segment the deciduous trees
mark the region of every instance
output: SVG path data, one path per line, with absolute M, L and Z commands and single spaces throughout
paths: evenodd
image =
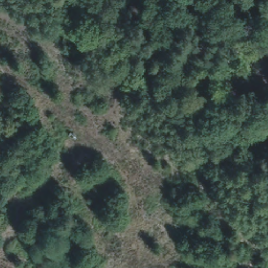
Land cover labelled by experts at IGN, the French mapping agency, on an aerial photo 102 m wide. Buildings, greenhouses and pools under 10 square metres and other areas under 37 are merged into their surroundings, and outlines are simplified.
M 207 161 L 216 164 L 226 157 L 238 163 L 249 158 L 260 162 L 264 159 L 266 164 L 262 165 L 262 170 L 268 171 L 268 0 L 67 0 L 71 4 L 67 7 L 65 17 L 70 23 L 66 25 L 62 22 L 64 31 L 58 42 L 54 43 L 60 50 L 62 59 L 79 67 L 88 81 L 112 91 L 125 79 L 129 70 L 134 73 L 139 61 L 136 55 L 129 57 L 124 49 L 119 48 L 117 41 L 126 33 L 130 35 L 130 32 L 138 32 L 142 19 L 153 19 L 157 14 L 157 6 L 164 12 L 180 7 L 180 13 L 171 19 L 167 18 L 169 26 L 175 28 L 171 45 L 155 50 L 150 59 L 143 59 L 143 79 L 146 81 L 147 93 L 150 97 L 155 95 L 157 102 L 163 100 L 167 106 L 176 102 L 187 117 L 193 114 L 194 128 L 197 127 L 201 135 L 191 141 L 192 147 L 203 147 L 202 152 L 205 153 Z M 195 29 L 199 41 L 211 44 L 241 38 L 243 43 L 234 45 L 239 59 L 230 62 L 223 60 L 210 79 L 206 79 L 206 72 L 203 71 L 192 72 L 189 77 L 184 77 L 183 71 L 172 75 L 173 60 L 177 57 L 175 49 L 180 42 L 185 42 L 191 29 Z
M 54 82 L 57 79 L 57 69 L 53 67 L 46 53 L 41 65 L 44 79 Z
M 112 166 L 96 150 L 74 164 L 73 177 L 67 170 L 61 169 L 63 163 L 60 161 L 60 151 L 55 148 L 55 142 L 50 134 L 40 132 L 41 113 L 27 90 L 18 84 L 17 76 L 14 75 L 0 72 L 0 100 L 1 94 L 6 97 L 10 92 L 19 91 L 21 97 L 13 106 L 20 109 L 20 114 L 14 116 L 24 120 L 23 125 L 12 136 L 0 135 L 0 207 L 5 206 L 10 197 L 24 198 L 31 195 L 49 177 L 57 180 L 62 187 L 64 192 L 59 195 L 58 202 L 51 210 L 44 213 L 42 206 L 33 210 L 35 217 L 27 222 L 28 232 L 20 233 L 19 236 L 27 243 L 24 251 L 27 256 L 31 255 L 33 260 L 40 263 L 41 268 L 100 268 L 108 259 L 106 256 L 100 258 L 97 255 L 95 237 L 99 232 L 121 233 L 129 227 L 129 195 L 115 179 L 109 178 Z
M 164 227 L 180 254 L 193 255 L 194 259 L 219 260 L 222 255 L 226 258 L 236 256 L 242 248 L 246 248 L 247 244 L 244 241 L 250 237 L 243 236 L 242 232 L 236 234 L 230 226 L 236 219 L 230 214 L 224 214 L 214 201 L 207 200 L 204 187 L 198 181 L 195 170 L 182 171 L 178 166 L 174 175 L 171 173 L 162 180 L 159 189 L 162 194 L 161 204 L 166 214 L 172 217 L 172 222 L 166 223 Z

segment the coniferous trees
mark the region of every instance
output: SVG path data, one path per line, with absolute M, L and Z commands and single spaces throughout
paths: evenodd
M 224 214 L 230 214 L 236 219 L 230 226 L 236 234 L 242 232 L 243 236 L 250 237 L 244 241 L 247 244 L 246 248 L 250 252 L 254 245 L 268 241 L 268 171 L 262 170 L 262 165 L 266 164 L 264 159 L 260 162 L 249 158 L 238 163 L 226 157 L 216 164 L 207 161 L 205 153 L 202 152 L 203 147 L 192 147 L 191 141 L 201 135 L 197 127 L 194 128 L 193 114 L 187 117 L 176 102 L 167 106 L 163 100 L 157 102 L 155 95 L 150 97 L 147 93 L 146 81 L 143 79 L 143 59 L 150 59 L 155 50 L 171 45 L 175 28 L 169 26 L 167 18 L 171 19 L 180 13 L 180 7 L 164 12 L 157 6 L 157 14 L 153 19 L 142 19 L 138 32 L 130 32 L 130 35 L 126 33 L 117 41 L 119 48 L 124 49 L 129 57 L 136 55 L 139 61 L 134 73 L 129 70 L 125 79 L 112 91 L 112 93 L 119 106 L 136 120 L 138 126 L 148 134 L 154 134 L 156 141 L 163 144 L 165 152 L 177 159 L 178 166 L 182 171 L 195 170 L 198 181 L 204 187 L 207 200 L 214 201 Z
M 66 25 L 70 23 L 65 17 L 67 7 L 71 4 L 67 0 L 0 0 L 0 14 L 7 13 L 20 26 L 24 25 L 30 32 L 31 41 L 39 44 L 54 43 L 58 42 L 64 31 L 62 22 Z
M 20 114 L 20 109 L 13 106 L 21 97 L 19 91 L 10 92 L 6 97 L 1 94 L 0 100 L 0 135 L 12 136 L 23 125 L 24 120 L 14 116 Z
M 173 60 L 172 75 L 183 71 L 184 77 L 189 77 L 192 72 L 203 71 L 206 72 L 206 79 L 210 79 L 223 60 L 230 62 L 239 59 L 234 45 L 243 43 L 241 38 L 211 44 L 199 41 L 195 29 L 191 29 L 185 42 L 180 42 L 175 49 L 177 57 Z

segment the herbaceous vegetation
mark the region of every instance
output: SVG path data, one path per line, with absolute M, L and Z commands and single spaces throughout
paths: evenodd
M 31 195 L 24 198 L 10 197 L 5 206 L 9 225 L 20 233 L 28 232 L 27 222 L 35 217 L 33 210 L 42 206 L 44 213 L 51 210 L 58 202 L 59 195 L 64 192 L 62 187 L 57 180 L 49 177 Z
M 67 170 L 73 177 L 74 164 L 96 150 L 112 166 L 109 178 L 115 179 L 129 195 L 129 227 L 121 233 L 99 232 L 95 237 L 97 255 L 100 258 L 106 256 L 108 259 L 100 268 L 176 268 L 180 254 L 164 227 L 166 223 L 172 222 L 172 217 L 166 214 L 161 204 L 162 194 L 159 189 L 162 180 L 171 173 L 174 175 L 178 166 L 177 159 L 165 152 L 163 144 L 156 141 L 154 134 L 148 134 L 138 126 L 136 120 L 119 106 L 112 93 L 102 96 L 105 99 L 104 104 L 109 105 L 109 113 L 106 115 L 95 115 L 85 106 L 76 108 L 76 95 L 86 92 L 87 89 L 83 86 L 88 81 L 79 67 L 62 59 L 60 50 L 54 43 L 39 44 L 31 41 L 30 32 L 24 25 L 20 26 L 7 13 L 0 14 L 0 72 L 14 75 L 15 70 L 8 65 L 16 62 L 14 52 L 29 52 L 31 61 L 37 66 L 41 65 L 46 53 L 53 67 L 57 69 L 57 79 L 54 82 L 44 79 L 39 80 L 43 89 L 43 92 L 40 92 L 30 86 L 24 76 L 17 76 L 18 84 L 27 90 L 41 113 L 40 132 L 50 134 L 55 142 L 55 148 L 60 151 L 60 161 L 63 163 L 61 169 Z

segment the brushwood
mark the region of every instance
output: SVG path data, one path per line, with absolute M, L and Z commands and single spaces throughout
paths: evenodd
M 105 99 L 102 96 L 112 93 L 112 91 L 88 81 L 83 86 L 87 89 L 86 92 L 76 95 L 76 108 L 85 106 L 95 115 L 106 115 L 109 113 L 109 105 L 104 104 Z
M 39 80 L 44 79 L 41 65 L 37 66 L 31 61 L 29 52 L 14 52 L 16 62 L 8 65 L 15 70 L 14 75 L 17 76 L 24 76 L 30 86 L 40 92 L 43 92 L 43 89 Z
M 0 207 L 0 268 L 41 268 L 40 263 L 33 260 L 31 255 L 27 256 L 24 251 L 27 243 L 19 236 L 20 233 L 9 225 L 5 206 Z
M 268 268 L 268 241 L 254 245 L 250 252 L 246 248 L 242 248 L 236 256 L 226 258 L 222 255 L 219 260 L 194 259 L 193 255 L 180 254 L 176 268 Z

